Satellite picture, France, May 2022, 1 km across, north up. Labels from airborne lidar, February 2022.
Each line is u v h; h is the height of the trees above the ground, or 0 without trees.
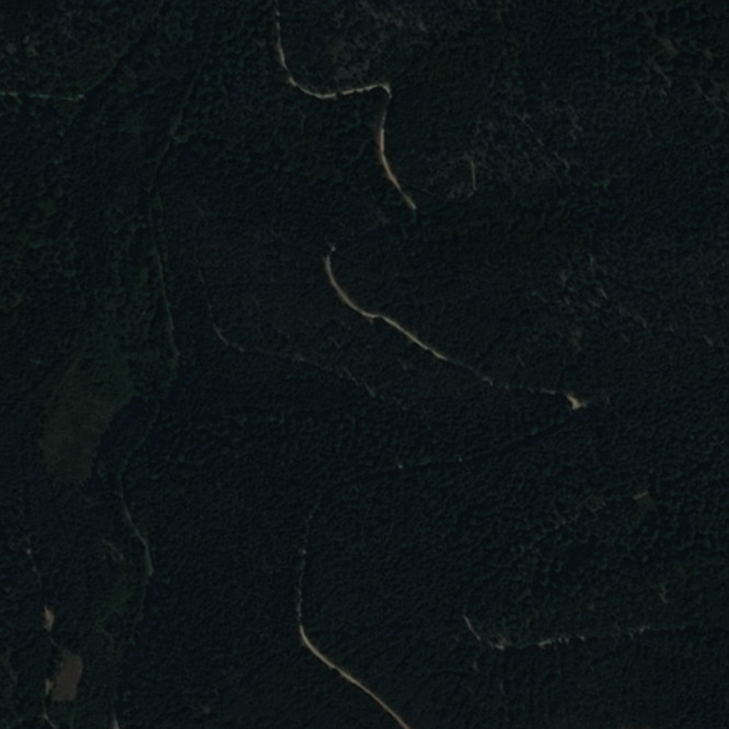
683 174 23
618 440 31
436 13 28
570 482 30
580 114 21
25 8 12
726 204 17
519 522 30
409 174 15
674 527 16
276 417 34
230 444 35
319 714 20
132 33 31
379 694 18
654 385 28
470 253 24
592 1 18
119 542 25
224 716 19
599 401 29
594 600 18
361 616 22
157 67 27
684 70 25
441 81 11
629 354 24
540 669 21
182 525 28
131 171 30
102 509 27
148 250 24
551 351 8
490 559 32
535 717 14
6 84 28
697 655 25
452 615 22
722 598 15
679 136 22
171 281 17
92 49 28
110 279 27
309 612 18
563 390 20
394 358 17
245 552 25
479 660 15
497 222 18
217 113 15
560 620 19
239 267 15
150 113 28
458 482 32
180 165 26
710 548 25
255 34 19
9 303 31
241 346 18
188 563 27
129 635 8
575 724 18
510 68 9
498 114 8
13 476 28
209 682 26
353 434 34
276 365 22
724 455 29
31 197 36
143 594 7
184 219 21
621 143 26
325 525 29
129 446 29
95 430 0
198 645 33
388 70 13
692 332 25
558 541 11
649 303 30
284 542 26
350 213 33
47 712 17
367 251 24
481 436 31
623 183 30
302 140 30
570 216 13
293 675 17
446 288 22
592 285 31
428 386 25
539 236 18
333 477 31
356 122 28
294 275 19
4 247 33
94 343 13
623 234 21
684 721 31
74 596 26
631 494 13
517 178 6
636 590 13
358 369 25
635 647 21
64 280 13
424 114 12
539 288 9
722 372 29
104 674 6
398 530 25
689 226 16
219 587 29
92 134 27
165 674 30
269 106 27
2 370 24
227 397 28
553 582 9
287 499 30
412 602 20
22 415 31
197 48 33
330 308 21
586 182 27
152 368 21
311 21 11
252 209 25
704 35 31
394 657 16
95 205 26
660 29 15
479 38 18
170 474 29
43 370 36
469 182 8
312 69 18
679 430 32
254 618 24
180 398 31
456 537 7
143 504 21
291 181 26
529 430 33
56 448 0
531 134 25
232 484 24
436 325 19
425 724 17
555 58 26
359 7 28
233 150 23
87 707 6
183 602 36
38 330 28
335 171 22
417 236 21
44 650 20
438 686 17
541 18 28
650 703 19
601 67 31
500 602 22
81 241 24
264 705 21
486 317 19
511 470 29
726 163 23
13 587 41
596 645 24
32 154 27
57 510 30
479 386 28
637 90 20
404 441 30
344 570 29
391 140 14
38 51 29
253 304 20
